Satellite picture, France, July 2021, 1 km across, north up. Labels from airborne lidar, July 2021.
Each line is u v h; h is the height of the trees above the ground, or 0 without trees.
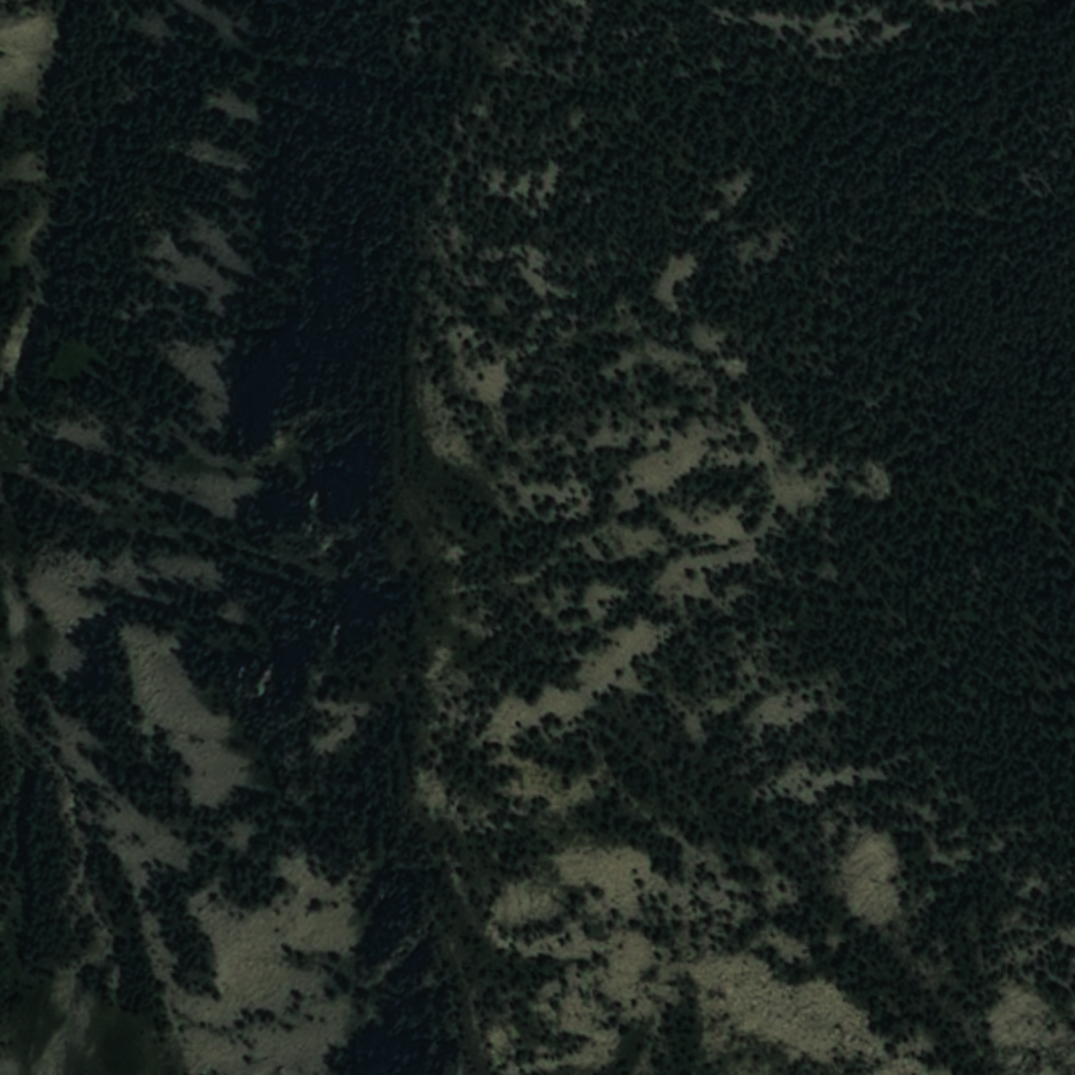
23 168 0
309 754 15
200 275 0
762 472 10
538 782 0
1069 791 13
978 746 22
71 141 22
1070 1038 0
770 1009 0
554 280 11
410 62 15
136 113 20
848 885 0
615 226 13
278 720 10
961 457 25
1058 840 17
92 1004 0
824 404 17
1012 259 29
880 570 19
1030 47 27
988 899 16
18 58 0
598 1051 0
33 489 11
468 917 0
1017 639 27
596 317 15
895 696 20
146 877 0
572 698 0
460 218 10
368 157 11
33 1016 0
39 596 0
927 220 15
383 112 14
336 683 15
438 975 9
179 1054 0
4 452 0
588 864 0
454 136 10
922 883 11
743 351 9
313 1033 0
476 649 9
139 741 13
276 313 15
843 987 10
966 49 28
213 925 0
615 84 14
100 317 23
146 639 0
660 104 22
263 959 0
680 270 0
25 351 0
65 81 25
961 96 33
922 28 22
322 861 6
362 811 21
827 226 15
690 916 0
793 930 20
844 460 8
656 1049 8
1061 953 18
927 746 22
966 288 24
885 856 0
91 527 11
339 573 8
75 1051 0
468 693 12
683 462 0
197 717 0
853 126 25
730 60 22
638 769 9
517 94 15
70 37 24
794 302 18
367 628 10
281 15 20
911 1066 0
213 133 23
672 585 0
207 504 0
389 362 13
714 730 6
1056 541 27
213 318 16
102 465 20
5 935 0
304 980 0
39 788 12
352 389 8
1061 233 25
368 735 14
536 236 24
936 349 29
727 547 9
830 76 8
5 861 18
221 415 0
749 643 10
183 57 23
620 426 11
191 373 0
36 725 11
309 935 0
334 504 15
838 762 9
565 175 7
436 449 0
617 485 18
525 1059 11
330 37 11
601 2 12
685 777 15
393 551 6
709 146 22
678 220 25
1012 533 11
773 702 0
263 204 0
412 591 10
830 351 23
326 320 11
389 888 10
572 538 21
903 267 24
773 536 11
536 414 15
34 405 29
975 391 25
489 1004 14
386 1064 7
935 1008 8
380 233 11
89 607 0
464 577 8
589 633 17
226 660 14
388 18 13
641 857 0
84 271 18
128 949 13
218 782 0
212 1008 0
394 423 8
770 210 15
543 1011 0
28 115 17
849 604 22
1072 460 14
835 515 12
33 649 0
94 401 24
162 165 28
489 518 19
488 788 17
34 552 13
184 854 0
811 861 14
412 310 13
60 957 7
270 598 13
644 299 16
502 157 16
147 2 18
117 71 25
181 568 0
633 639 0
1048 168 24
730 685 19
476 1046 0
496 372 0
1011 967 10
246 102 20
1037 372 30
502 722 0
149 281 18
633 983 0
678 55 20
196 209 20
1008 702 24
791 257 20
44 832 7
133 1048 0
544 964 21
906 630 24
